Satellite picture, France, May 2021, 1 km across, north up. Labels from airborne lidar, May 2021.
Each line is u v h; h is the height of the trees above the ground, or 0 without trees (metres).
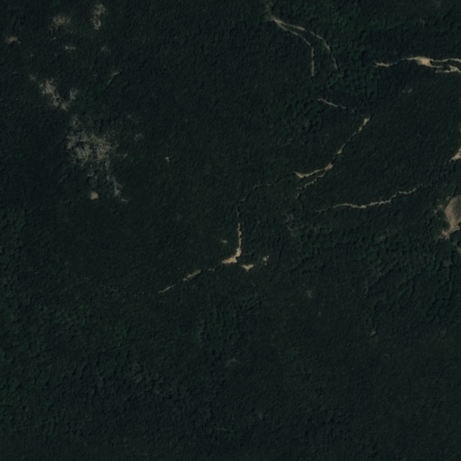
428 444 11
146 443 14
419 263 6
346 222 8
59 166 13
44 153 16
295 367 20
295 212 23
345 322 11
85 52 9
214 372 21
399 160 8
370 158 14
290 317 8
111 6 11
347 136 10
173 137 16
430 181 9
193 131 15
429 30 17
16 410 17
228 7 12
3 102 12
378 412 14
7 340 20
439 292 20
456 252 25
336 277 14
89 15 9
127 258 9
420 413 13
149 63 16
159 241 9
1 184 18
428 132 11
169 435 13
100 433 13
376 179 13
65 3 14
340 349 12
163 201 12
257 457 8
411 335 16
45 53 11
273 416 20
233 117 15
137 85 16
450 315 19
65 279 15
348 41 18
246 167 10
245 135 10
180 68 14
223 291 11
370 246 18
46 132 11
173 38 18
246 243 10
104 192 8
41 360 21
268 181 13
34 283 15
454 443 8
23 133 10
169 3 11
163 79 12
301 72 13
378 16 10
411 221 8
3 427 17
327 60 15
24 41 13
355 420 11
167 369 17
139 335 14
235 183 13
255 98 12
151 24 11
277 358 12
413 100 14
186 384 20
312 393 19
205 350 18
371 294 12
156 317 10
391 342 10
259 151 11
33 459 9
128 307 16
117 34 12
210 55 19
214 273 8
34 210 14
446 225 14
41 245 12
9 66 16
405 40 15
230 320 13
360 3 15
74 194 19
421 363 12
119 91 12
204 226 7
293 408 6
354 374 14
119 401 19
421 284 10
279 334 15
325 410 13
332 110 11
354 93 18
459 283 14
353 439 22
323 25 7
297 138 14
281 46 11
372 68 17
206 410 17
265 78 15
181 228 10
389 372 9
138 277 11
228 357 12
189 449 11
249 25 19
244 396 14
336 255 13
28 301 15
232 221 10
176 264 13
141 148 15
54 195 20
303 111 20
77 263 17
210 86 18
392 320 12
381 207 11
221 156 14
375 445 11
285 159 15
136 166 16
